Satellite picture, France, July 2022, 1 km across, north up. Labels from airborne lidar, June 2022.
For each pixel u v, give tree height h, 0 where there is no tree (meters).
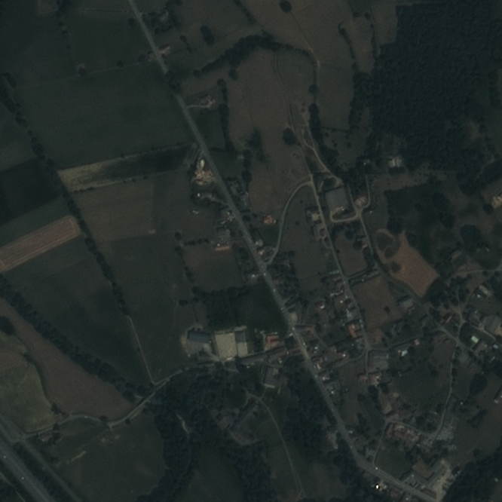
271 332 0
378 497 24
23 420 0
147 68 0
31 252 0
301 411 6
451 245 0
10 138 0
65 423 0
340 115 0
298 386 29
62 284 0
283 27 0
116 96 0
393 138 7
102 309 0
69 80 0
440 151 15
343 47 0
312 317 7
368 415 0
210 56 0
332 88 0
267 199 0
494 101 17
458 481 9
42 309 0
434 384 0
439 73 21
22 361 0
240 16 0
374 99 8
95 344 0
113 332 0
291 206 0
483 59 19
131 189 0
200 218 0
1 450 0
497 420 0
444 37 22
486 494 9
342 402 6
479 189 10
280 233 0
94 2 0
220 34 0
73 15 0
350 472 19
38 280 0
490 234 0
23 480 0
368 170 18
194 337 0
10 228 0
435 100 25
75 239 0
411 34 14
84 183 0
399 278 0
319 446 21
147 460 0
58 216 0
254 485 28
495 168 23
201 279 0
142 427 0
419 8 14
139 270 0
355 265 0
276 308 0
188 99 0
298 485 0
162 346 0
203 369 8
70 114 0
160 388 6
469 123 0
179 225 0
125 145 0
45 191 0
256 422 0
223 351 0
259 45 12
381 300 0
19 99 0
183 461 20
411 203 0
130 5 0
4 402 0
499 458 19
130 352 0
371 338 0
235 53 23
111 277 17
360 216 0
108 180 0
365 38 0
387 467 0
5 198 0
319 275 9
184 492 9
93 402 0
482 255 0
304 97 0
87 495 0
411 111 22
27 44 0
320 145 8
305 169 0
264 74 0
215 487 0
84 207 0
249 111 0
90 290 0
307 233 0
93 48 0
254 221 0
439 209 21
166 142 0
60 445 0
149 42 0
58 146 0
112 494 0
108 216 0
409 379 0
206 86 0
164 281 0
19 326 0
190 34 0
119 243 0
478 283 0
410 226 0
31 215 0
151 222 0
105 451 0
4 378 0
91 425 0
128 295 0
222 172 0
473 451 0
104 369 17
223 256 0
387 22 0
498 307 0
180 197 0
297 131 0
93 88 0
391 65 17
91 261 0
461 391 0
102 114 0
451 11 20
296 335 0
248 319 0
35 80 0
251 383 19
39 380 0
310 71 0
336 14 0
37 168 0
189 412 19
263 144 0
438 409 6
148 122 0
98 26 0
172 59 0
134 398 11
